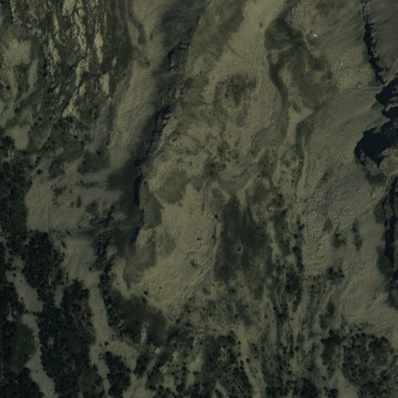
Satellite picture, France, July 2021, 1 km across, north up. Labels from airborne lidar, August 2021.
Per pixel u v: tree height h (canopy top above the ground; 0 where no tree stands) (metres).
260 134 0
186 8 0
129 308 0
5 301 10
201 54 0
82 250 0
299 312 0
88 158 0
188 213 0
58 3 0
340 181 0
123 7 0
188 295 0
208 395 9
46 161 0
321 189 0
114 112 0
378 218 0
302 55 0
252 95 0
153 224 0
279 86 0
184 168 0
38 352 0
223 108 0
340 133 0
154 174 0
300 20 0
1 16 0
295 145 0
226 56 0
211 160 0
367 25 0
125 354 0
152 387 14
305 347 0
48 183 0
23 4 0
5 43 0
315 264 0
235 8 0
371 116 0
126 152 0
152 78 0
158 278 0
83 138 0
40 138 0
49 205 0
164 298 0
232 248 0
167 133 0
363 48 0
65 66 0
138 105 0
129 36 0
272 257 0
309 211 0
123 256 0
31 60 0
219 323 0
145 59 0
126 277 0
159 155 0
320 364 0
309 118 0
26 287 0
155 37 0
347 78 0
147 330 0
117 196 0
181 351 0
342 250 0
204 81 0
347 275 0
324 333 0
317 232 0
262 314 0
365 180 0
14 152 0
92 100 0
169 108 0
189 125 0
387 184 0
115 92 0
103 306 0
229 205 0
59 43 0
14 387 18
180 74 0
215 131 0
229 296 0
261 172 0
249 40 0
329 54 0
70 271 0
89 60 0
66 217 0
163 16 0
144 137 0
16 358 0
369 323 0
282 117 0
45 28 0
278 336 0
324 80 0
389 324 0
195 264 0
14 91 0
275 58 0
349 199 0
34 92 0
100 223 7
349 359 11
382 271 0
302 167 0
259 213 0
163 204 0
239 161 0
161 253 0
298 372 0
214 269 0
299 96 0
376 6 0
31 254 7
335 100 0
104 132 0
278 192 0
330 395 7
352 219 0
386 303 0
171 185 0
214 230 0
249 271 0
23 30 0
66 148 0
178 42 0
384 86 0
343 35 0
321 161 0
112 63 0
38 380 0
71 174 0
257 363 0
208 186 0
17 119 0
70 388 8
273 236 0
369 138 0
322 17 0
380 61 0
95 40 0
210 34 0
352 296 0
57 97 0
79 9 0
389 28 0
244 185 0
